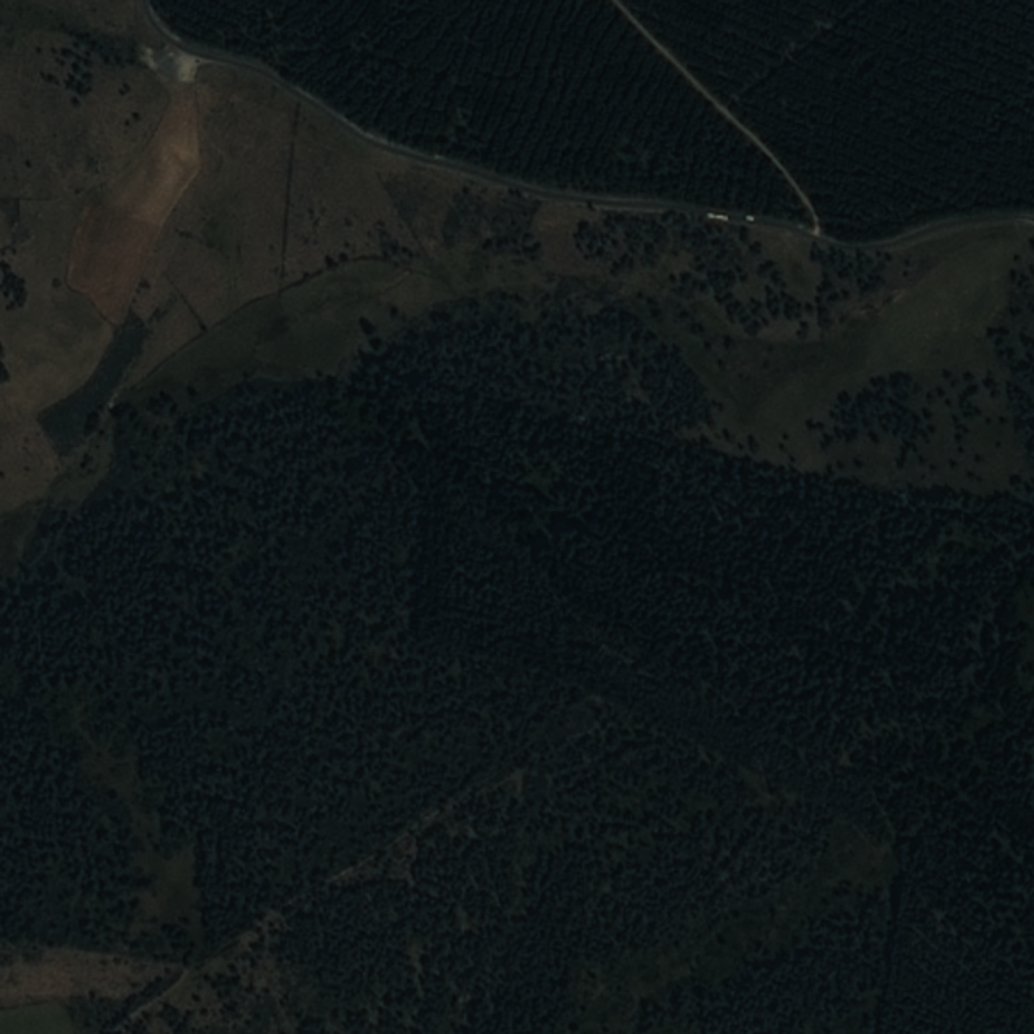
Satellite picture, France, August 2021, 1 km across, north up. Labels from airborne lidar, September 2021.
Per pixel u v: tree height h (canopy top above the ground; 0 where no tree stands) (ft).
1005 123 55
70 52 23
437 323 42
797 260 0
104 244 0
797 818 45
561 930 47
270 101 0
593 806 24
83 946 0
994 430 0
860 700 71
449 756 25
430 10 46
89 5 0
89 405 0
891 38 61
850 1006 36
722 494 77
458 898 56
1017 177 63
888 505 31
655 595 81
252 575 35
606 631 48
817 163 65
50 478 0
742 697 47
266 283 0
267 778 49
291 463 55
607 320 22
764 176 65
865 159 66
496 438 91
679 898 58
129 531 24
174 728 44
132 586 61
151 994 32
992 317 0
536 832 29
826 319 20
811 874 37
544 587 44
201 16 54
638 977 0
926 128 55
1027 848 43
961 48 67
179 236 0
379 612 32
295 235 0
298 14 49
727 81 41
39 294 0
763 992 36
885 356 0
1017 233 0
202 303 0
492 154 61
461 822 42
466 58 61
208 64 0
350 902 44
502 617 61
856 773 41
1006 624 52
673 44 44
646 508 86
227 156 0
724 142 67
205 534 50
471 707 33
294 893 37
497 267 0
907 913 57
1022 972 61
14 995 0
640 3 51
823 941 30
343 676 31
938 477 0
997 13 60
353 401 34
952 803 57
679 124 53
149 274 0
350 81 60
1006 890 54
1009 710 43
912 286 0
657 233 42
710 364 0
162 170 0
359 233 0
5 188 0
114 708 49
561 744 33
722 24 51
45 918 0
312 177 0
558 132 51
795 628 62
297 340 0
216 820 44
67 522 19
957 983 42
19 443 0
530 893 48
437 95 61
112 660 35
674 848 37
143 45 0
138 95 0
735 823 27
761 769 41
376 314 0
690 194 52
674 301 0
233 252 0
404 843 0
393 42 52
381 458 62
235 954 0
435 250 0
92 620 56
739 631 80
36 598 52
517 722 39
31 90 0
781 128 56
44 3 0
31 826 37
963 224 0
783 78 60
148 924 0
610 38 59
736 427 0
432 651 39
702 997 50
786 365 0
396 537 53
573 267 0
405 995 47
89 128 0
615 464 82
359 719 33
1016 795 61
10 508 0
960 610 72
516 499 94
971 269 0
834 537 73
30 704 34
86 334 0
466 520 63
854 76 50
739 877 41
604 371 37
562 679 49
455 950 49
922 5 59
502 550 56
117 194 0
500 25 47
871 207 65
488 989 25
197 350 0
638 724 36
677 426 24
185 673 31
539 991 53
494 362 37
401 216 0
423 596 79
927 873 63
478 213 0
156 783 37
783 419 0
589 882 30
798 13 50
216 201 0
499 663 40
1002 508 36
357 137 0
